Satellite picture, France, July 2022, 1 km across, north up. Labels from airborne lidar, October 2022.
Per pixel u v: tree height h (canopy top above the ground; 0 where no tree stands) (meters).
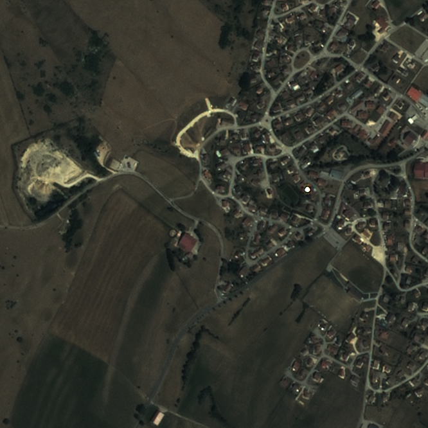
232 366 0
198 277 0
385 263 0
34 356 0
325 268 0
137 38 0
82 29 0
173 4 0
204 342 0
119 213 0
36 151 0
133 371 0
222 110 0
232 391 0
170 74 0
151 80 0
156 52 0
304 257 0
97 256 0
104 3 0
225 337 0
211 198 0
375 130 0
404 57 0
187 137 0
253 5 6
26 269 0
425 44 0
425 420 0
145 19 0
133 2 0
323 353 0
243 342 0
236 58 0
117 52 0
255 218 0
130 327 0
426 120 0
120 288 0
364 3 0
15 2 0
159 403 0
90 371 0
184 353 0
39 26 0
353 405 0
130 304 0
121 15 0
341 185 0
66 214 0
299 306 0
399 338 0
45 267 0
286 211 0
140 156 0
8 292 0
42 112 0
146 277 0
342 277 0
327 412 0
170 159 0
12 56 0
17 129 0
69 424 0
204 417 0
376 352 0
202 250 0
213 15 0
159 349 0
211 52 0
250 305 0
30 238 0
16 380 0
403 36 0
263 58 0
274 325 0
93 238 0
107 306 0
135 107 0
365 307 0
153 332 0
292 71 0
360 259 0
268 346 0
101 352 0
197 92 0
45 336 0
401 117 0
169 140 0
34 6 0
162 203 0
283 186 7
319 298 0
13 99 0
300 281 0
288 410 0
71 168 0
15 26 0
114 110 0
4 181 0
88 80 0
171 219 0
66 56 0
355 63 0
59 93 0
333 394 0
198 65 0
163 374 0
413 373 0
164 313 0
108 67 0
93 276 0
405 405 0
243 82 20
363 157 13
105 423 0
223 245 0
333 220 0
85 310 0
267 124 0
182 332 0
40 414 0
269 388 0
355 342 0
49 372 0
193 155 0
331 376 0
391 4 0
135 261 0
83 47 0
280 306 0
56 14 0
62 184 0
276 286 0
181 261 10
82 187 8
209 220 0
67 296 0
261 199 0
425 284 0
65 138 0
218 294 0
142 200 0
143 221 0
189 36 0
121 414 0
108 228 0
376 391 0
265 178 0
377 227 0
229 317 0
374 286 0
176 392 0
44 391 0
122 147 0
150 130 0
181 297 0
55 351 0
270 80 6
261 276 0
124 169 0
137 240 0
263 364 0
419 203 6
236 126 0
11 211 0
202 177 0
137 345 0
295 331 0
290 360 0
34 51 0
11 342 0
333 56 0
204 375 0
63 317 0
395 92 0
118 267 0
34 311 0
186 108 0
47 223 0
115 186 0
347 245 0
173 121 0
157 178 0
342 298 0
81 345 0
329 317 0
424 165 0
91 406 0
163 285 0
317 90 8
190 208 0
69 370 0
